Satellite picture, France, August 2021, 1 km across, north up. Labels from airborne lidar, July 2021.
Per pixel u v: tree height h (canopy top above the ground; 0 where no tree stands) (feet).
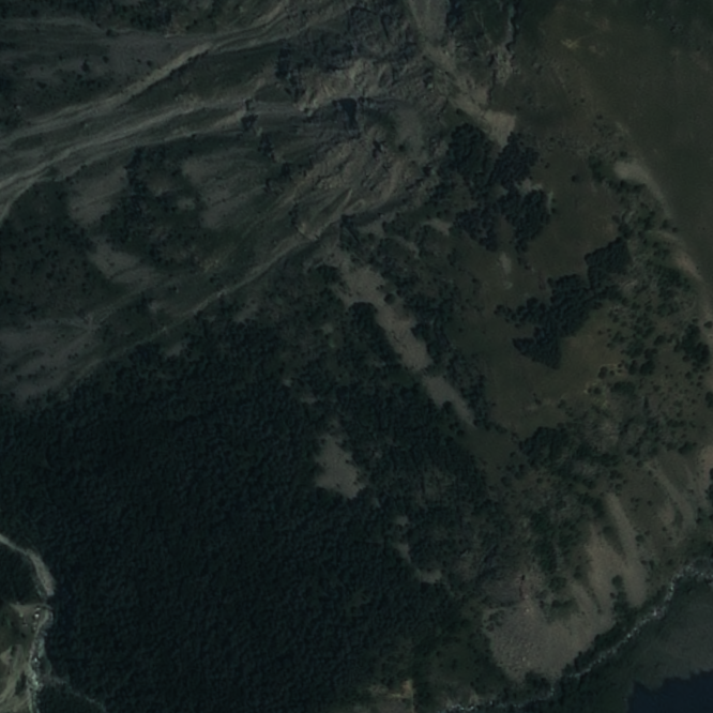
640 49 0
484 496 33
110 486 89
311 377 23
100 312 0
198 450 85
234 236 0
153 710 83
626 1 0
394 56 0
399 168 0
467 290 0
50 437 77
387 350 52
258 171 0
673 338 28
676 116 0
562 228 0
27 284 0
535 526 25
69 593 44
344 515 91
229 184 0
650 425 38
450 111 0
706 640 0
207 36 0
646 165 0
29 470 63
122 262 0
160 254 21
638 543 30
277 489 80
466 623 39
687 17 0
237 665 98
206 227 0
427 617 80
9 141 0
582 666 20
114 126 0
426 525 33
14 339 0
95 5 28
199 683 63
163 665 70
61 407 49
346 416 23
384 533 36
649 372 34
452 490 22
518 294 0
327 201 0
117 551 90
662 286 26
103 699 102
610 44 0
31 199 0
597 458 33
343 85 0
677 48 0
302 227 0
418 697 18
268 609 79
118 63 0
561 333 60
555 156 0
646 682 0
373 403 44
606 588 0
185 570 92
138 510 83
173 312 0
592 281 55
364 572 57
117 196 0
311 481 29
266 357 58
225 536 86
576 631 0
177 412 82
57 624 21
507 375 0
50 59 0
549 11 0
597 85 0
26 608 0
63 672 53
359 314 58
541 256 0
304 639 61
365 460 31
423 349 0
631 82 0
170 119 0
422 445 70
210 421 67
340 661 97
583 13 0
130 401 63
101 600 53
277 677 86
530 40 0
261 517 76
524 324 29
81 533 73
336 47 0
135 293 0
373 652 64
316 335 32
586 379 0
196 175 0
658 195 0
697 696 0
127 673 100
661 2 0
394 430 42
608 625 0
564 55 0
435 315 30
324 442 29
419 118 0
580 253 0
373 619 72
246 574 87
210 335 32
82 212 0
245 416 80
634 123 0
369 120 0
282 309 24
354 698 41
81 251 21
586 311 76
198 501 76
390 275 34
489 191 60
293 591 62
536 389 0
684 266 0
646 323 22
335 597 65
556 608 38
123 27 0
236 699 53
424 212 0
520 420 0
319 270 25
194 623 81
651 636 0
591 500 33
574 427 26
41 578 0
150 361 49
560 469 20
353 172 0
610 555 0
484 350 0
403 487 36
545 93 0
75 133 0
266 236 0
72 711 22
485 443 0
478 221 31
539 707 21
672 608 0
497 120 0
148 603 81
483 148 36
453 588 47
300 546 73
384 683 34
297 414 76
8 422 19
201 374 55
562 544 33
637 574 0
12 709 0
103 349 0
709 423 0
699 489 0
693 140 0
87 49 0
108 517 89
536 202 65
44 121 0
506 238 0
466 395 24
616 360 0
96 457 84
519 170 41
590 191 0
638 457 37
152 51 0
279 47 0
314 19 0
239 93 0
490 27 0
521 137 29
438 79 0
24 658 0
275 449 77
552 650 0
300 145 0
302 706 40
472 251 0
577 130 0
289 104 0
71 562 76
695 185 0
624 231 33
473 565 26
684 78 0
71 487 73
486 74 0
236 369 44
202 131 0
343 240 22
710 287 0
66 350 0
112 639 72
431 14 0
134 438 99
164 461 83
